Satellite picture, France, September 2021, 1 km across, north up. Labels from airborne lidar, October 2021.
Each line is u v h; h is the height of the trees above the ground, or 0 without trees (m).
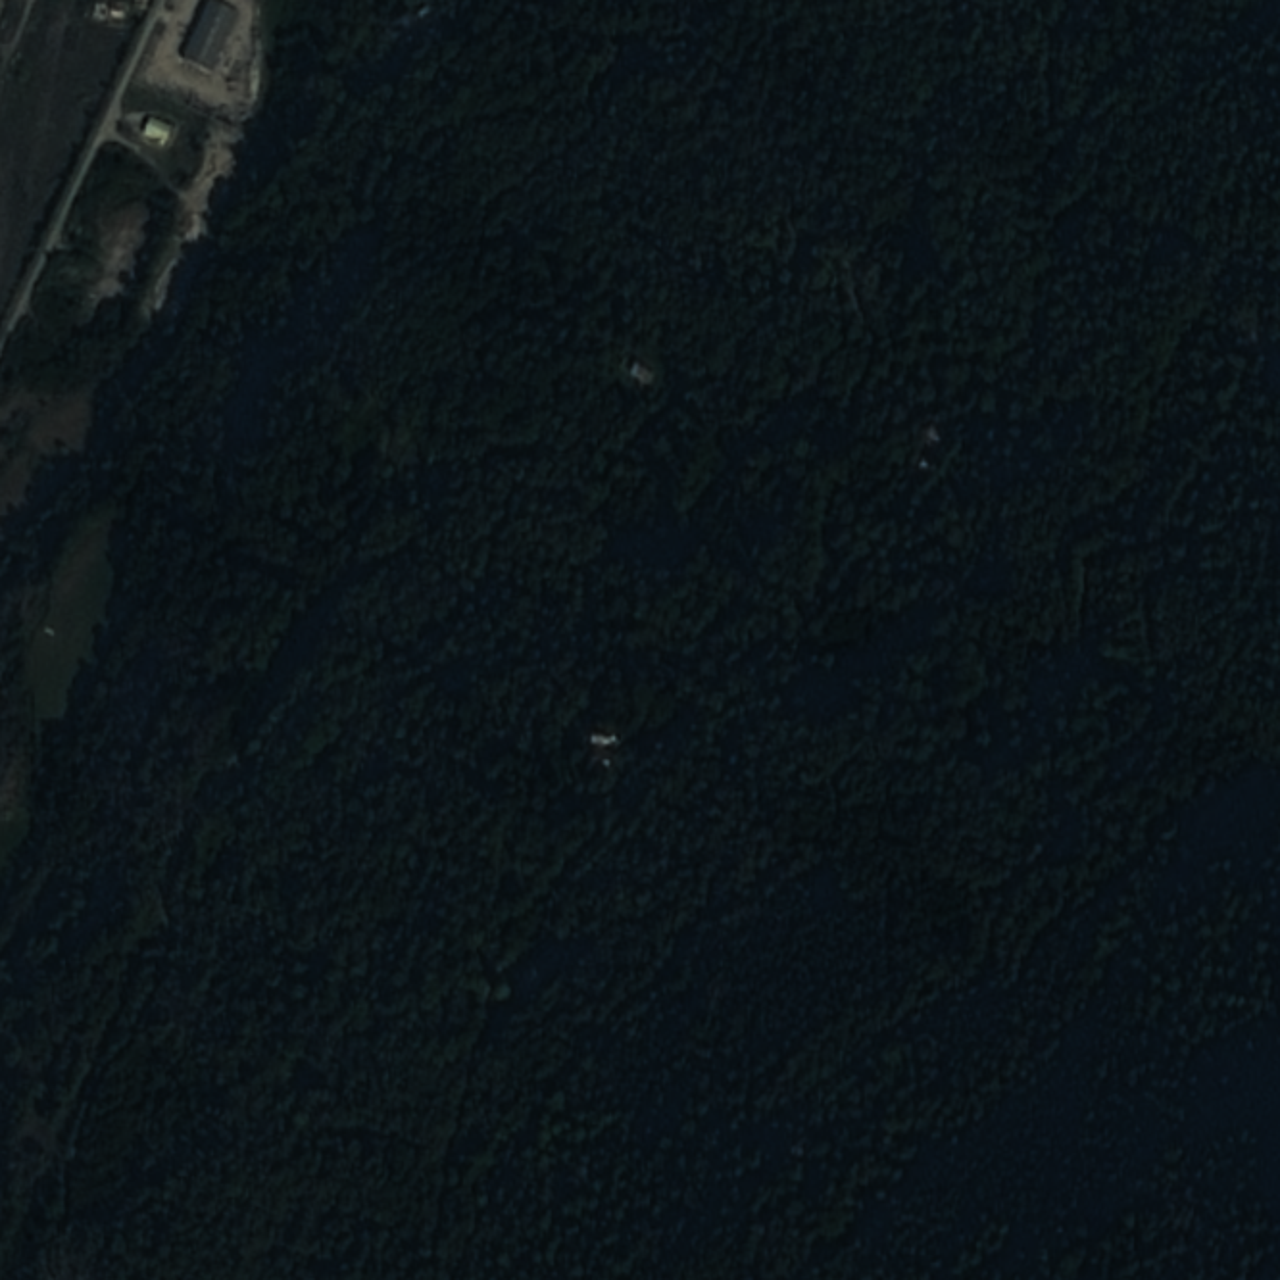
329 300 17
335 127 20
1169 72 26
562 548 15
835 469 24
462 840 21
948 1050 17
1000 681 23
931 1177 17
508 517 19
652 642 21
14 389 14
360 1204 21
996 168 29
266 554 27
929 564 21
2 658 8
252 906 11
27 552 20
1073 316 17
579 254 21
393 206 25
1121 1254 21
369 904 24
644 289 25
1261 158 24
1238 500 19
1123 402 19
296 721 17
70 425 0
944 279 20
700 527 7
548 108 22
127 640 22
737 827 19
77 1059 16
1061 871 22
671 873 18
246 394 13
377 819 23
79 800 26
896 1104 21
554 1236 18
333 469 30
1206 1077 8
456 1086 18
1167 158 24
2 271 0
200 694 7
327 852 21
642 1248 21
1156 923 12
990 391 7
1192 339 11
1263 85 17
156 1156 8
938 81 31
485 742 29
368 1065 19
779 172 23
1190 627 20
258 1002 22
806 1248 19
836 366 21
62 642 0
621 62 10
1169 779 31
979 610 30
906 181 25
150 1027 11
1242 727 20
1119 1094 11
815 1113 18
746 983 19
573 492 23
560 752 13
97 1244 18
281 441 27
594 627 32
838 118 28
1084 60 27
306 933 21
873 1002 21
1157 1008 21
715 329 21
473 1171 17
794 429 14
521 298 30
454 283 32
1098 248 27
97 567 0
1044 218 24
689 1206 24
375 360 25
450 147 19
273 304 21
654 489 8
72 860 16
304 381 22
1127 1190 19
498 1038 17
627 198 18
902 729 31
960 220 23
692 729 23
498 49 21
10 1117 21
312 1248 21
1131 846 23
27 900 15
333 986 23
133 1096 12
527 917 12
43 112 0
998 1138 19
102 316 8
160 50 0
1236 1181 23
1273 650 26
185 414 25
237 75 0
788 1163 17
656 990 20
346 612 22
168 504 13
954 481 7
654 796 10
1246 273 15
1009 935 19
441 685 17
